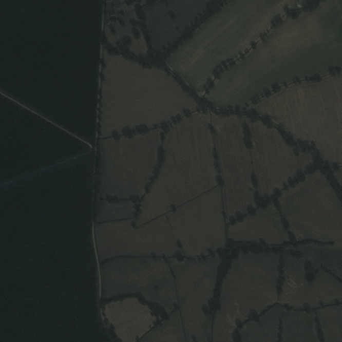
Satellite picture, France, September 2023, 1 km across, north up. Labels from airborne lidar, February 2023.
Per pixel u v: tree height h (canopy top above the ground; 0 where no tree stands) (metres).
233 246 20
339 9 0
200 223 0
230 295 0
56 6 16
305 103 0
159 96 0
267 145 0
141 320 0
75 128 17
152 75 0
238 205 0
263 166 0
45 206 20
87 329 20
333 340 0
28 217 18
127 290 0
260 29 0
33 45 12
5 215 14
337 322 0
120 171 0
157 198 0
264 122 14
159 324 10
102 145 0
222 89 0
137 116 0
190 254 0
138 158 0
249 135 16
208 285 0
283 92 0
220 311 0
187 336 0
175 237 0
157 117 0
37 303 19
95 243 0
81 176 21
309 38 0
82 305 21
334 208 0
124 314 0
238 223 0
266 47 0
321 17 0
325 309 0
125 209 0
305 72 0
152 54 18
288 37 0
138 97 0
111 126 0
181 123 0
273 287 0
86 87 14
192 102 0
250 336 0
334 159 0
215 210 0
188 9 0
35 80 14
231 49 0
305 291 0
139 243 0
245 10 0
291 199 0
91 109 14
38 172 18
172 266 0
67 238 21
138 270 0
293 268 0
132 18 0
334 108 0
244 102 0
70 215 19
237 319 0
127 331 0
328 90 0
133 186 0
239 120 0
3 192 19
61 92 17
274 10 0
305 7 21
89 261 20
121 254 0
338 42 0
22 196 20
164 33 0
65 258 20
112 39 0
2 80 9
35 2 14
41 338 16
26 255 22
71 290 17
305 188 0
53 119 14
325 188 0
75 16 13
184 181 0
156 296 0
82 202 19
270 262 0
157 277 0
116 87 0
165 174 0
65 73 15
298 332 0
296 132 0
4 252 20
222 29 0
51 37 14
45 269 21
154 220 0
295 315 0
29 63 14
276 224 0
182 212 0
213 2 16
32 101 15
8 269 21
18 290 20
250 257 0
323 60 0
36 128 6
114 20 11
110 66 0
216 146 0
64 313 21
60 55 15
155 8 0
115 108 0
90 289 17
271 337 0
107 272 0
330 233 0
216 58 0
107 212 0
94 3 12
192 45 0
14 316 17
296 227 0
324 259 0
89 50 12
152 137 0
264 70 0
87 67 16
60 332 18
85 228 19
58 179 21
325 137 0
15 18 11
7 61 13
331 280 0
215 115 0
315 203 0
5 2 10
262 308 0
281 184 0
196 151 0
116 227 0
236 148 0
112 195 0
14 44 12
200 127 0
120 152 0
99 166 12
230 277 0
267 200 23
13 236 21
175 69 0
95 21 12
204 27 0
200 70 0
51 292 20
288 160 0
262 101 0
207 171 0
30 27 13
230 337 0
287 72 0
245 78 0
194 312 0
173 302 0
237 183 0
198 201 0
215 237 0
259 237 0
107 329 11
